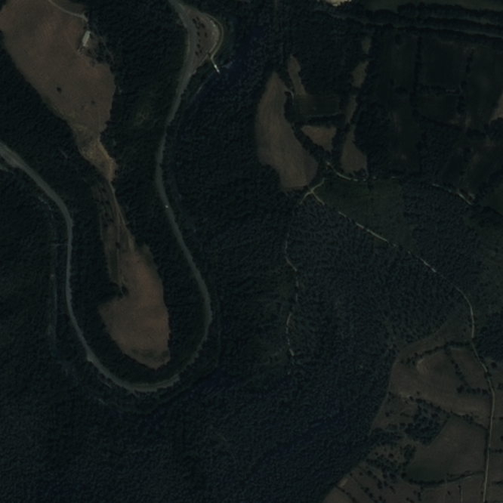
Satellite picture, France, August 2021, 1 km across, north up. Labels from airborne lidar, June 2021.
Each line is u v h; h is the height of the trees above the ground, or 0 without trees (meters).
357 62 15
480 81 0
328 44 11
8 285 11
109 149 13
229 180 19
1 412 11
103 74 0
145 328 0
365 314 8
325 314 18
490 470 0
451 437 0
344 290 9
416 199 15
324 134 0
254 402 20
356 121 8
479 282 10
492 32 15
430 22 15
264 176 14
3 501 21
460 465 0
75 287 14
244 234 20
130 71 26
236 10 15
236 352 18
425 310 15
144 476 15
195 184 14
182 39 14
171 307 23
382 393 11
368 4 0
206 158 23
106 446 13
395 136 0
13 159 0
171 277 24
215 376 13
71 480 15
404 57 0
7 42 0
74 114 0
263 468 12
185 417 20
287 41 16
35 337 19
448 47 0
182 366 8
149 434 21
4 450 15
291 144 0
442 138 21
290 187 0
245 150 18
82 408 19
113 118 13
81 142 0
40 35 0
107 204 10
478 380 0
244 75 24
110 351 22
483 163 0
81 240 10
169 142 25
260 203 13
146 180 20
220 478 12
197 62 0
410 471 0
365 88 18
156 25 11
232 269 14
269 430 13
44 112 19
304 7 11
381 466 10
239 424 9
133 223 20
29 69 0
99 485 15
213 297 11
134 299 0
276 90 0
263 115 0
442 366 0
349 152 0
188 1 13
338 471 17
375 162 15
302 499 17
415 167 0
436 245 12
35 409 11
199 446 7
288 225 12
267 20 25
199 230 7
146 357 0
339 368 14
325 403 8
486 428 7
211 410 15
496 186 20
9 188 19
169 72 14
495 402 0
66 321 12
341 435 12
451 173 0
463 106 17
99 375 10
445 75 0
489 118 0
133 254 0
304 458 16
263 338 21
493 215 20
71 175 20
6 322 15
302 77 16
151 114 9
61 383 21
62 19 0
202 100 11
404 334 11
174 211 7
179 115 10
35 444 13
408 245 0
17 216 21
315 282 11
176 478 22
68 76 0
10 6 0
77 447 14
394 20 20
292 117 16
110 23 20
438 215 11
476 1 0
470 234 14
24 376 19
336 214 8
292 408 9
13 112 15
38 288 18
